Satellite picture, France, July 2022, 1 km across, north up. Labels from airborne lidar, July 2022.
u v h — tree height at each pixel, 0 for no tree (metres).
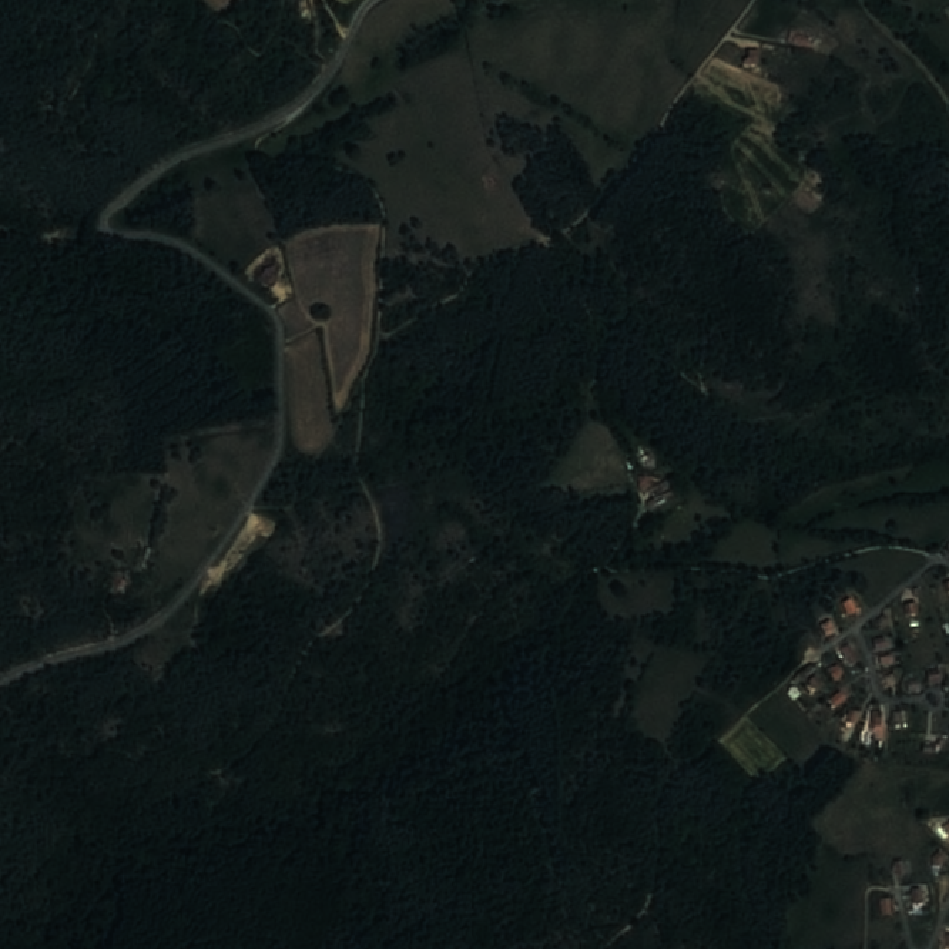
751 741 0
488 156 0
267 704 15
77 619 13
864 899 0
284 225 15
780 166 0
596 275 17
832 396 15
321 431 0
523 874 7
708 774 20
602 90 0
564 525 23
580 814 15
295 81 14
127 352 24
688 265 11
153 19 13
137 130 20
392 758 12
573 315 18
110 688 16
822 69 0
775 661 13
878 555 0
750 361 9
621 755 9
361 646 10
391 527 0
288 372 0
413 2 0
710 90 0
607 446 0
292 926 18
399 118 0
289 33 6
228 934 16
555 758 24
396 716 14
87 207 16
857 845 0
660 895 13
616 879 12
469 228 0
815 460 15
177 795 9
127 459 13
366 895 21
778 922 21
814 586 10
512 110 0
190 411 26
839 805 0
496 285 17
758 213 0
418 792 7
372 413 7
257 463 0
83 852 20
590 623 7
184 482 0
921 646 0
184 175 9
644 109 0
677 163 20
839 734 0
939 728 0
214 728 15
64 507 10
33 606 7
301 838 20
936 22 7
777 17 0
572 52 0
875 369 15
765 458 16
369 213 16
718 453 12
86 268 12
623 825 14
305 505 6
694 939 9
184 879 16
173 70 7
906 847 0
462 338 8
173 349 26
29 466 8
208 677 21
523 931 9
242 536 0
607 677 10
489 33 0
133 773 17
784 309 10
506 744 6
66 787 21
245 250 0
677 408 20
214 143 0
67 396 17
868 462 14
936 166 17
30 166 12
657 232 8
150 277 17
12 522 13
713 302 10
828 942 0
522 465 25
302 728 11
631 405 20
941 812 0
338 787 27
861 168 8
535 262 14
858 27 0
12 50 13
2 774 13
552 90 0
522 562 12
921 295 8
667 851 15
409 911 15
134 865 18
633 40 0
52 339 16
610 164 0
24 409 14
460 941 10
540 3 0
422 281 9
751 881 22
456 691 14
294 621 13
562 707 17
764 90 0
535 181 14
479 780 19
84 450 9
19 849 18
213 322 23
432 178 0
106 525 0
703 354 12
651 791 13
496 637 8
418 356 17
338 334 0
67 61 12
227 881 19
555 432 10
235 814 17
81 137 14
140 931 15
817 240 0
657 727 0
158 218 21
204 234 0
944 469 0
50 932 28
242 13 13
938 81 9
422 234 0
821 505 0
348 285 0
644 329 7
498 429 13
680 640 14
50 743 16
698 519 12
